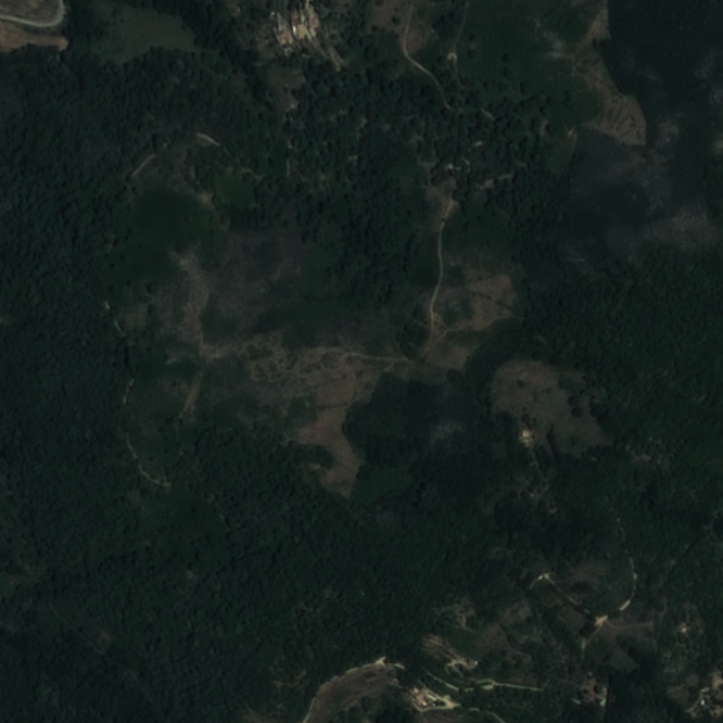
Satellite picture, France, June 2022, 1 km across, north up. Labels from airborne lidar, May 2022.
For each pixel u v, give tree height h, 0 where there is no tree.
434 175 8
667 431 12
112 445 16
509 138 12
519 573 6
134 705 10
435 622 8
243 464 10
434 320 0
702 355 18
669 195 0
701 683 8
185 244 0
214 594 10
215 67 10
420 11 0
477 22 0
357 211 7
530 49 0
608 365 13
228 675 13
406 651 19
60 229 11
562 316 10
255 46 9
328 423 0
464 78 12
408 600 15
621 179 0
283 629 16
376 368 0
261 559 15
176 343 0
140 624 6
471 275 0
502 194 6
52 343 14
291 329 0
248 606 12
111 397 14
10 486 14
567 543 16
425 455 8
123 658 13
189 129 6
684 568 7
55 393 9
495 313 0
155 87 10
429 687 10
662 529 9
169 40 0
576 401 13
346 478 0
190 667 14
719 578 9
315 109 9
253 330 0
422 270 0
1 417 15
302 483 10
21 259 11
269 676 13
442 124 15
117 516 11
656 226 0
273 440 9
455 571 11
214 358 0
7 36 0
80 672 8
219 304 0
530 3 0
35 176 13
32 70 15
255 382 0
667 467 12
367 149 14
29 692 18
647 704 9
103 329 18
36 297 11
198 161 9
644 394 11
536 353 10
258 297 0
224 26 15
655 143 0
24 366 11
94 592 8
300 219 9
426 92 18
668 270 16
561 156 0
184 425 8
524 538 16
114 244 6
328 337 0
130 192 10
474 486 21
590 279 8
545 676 9
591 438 0
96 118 8
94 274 18
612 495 14
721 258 8
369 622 13
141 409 0
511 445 11
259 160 18
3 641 19
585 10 0
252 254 0
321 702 0
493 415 11
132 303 0
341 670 15
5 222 9
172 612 8
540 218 6
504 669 6
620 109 0
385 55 9
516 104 13
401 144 11
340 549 15
